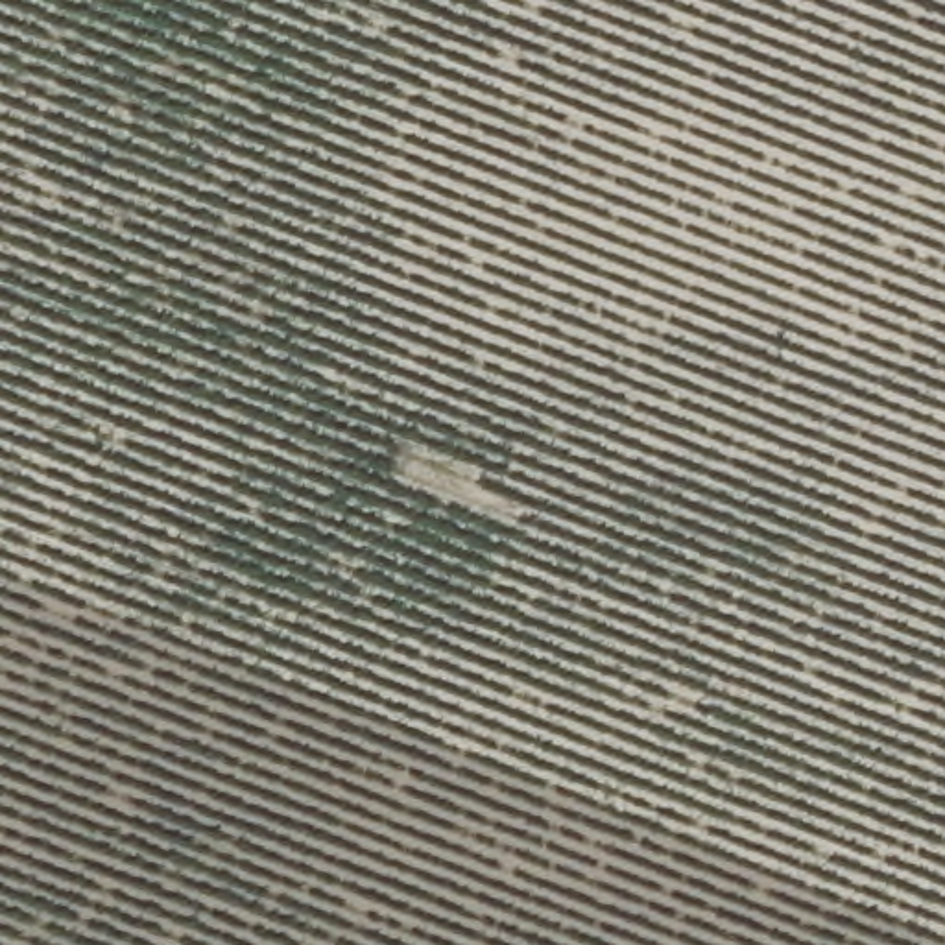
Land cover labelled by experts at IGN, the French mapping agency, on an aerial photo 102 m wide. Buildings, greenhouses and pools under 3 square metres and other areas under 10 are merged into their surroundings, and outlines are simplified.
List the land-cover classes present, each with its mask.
<instances>
[{"label":"vineyard","instance_id":"1","mask_svg":"<svg viewBox=\"0 0 945 945\"><path fill-rule=\"evenodd\" d=\"M0 945H945V0H0Z\"/></svg>","mask_w":945,"mask_h":945}]
</instances>
